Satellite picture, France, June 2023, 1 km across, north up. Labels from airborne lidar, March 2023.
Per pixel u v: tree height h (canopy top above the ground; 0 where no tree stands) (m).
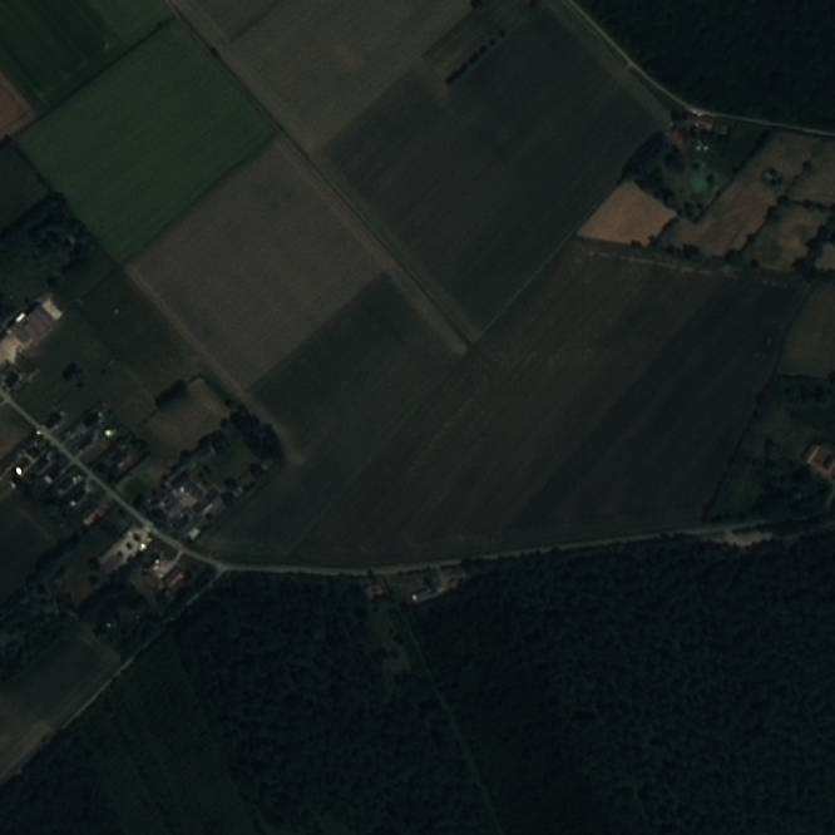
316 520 0
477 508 0
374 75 0
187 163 0
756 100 18
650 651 27
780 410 0
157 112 0
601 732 22
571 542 0
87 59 0
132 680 0
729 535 0
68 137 0
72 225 10
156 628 16
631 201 0
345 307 0
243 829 0
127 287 0
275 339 0
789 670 25
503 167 0
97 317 0
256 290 0
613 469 0
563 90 0
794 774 22
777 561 21
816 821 25
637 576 23
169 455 0
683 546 10
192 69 0
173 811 0
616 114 0
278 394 0
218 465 0
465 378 0
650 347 0
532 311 0
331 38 0
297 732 24
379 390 0
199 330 0
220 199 0
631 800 25
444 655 11
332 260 0
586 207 0
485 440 0
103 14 0
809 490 21
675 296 0
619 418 0
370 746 18
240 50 0
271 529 0
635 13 21
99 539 0
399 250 0
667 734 26
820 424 0
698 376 0
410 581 0
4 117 0
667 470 0
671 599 14
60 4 0
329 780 22
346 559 0
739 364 0
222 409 0
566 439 0
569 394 0
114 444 5
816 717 17
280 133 0
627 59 0
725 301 0
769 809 20
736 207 0
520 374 0
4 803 20
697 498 0
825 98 18
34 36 0
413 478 0
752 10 22
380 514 0
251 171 0
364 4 0
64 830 30
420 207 0
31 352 0
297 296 0
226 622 25
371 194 0
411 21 0
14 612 9
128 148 0
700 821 25
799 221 0
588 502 0
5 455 0
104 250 0
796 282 0
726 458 0
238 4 0
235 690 24
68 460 0
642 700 19
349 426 0
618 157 0
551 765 10
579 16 0
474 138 0
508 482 0
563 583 18
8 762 0
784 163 0
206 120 0
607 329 0
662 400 0
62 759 23
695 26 20
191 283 0
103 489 0
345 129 0
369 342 0
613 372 0
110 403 0
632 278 0
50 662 0
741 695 22
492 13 0
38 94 0
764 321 0
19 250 0
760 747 22
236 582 18
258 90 0
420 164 0
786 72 19
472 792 22
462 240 0
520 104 0
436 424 0
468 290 0
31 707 0
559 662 25
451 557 0
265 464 0
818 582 22
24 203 0
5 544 0
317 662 26
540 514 0
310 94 0
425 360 0
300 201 0
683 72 23
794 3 24
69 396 0
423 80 0
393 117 0
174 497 0
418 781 19
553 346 0
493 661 8
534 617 25
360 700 26
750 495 0
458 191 0
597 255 0
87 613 18
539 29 0
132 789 0
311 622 25
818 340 0
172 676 0
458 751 19
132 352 0
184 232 0
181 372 0
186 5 0
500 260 0
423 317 0
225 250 0
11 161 0
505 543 0
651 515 0
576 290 0
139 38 0
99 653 0
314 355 0
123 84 0
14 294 0
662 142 21
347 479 0
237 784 23
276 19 0
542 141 0
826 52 21
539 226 0
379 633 0
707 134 9
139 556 9
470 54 0
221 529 0
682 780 21
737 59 24
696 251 15
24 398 0
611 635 27
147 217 0
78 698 0
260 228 0
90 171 0
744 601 25
